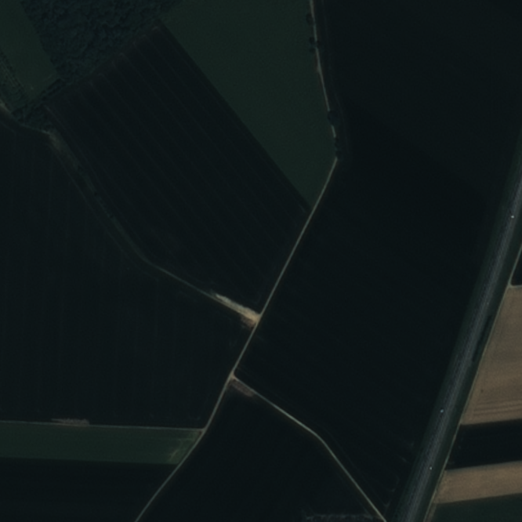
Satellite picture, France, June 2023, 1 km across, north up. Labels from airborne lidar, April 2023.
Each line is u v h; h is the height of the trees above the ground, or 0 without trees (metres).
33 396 0
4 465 0
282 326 0
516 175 0
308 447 0
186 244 0
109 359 0
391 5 0
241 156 0
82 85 0
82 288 0
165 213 0
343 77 0
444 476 0
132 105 0
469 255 0
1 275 0
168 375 0
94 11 27
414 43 0
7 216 0
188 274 0
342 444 0
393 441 0
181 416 0
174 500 0
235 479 0
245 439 0
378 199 0
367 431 0
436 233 0
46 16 25
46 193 0
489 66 0
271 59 0
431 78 0
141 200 0
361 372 0
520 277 0
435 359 0
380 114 0
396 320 0
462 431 0
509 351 0
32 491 0
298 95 0
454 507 0
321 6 0
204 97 0
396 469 0
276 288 0
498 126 0
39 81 0
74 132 0
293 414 0
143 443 0
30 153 0
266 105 0
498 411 0
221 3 0
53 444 0
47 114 0
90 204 0
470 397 0
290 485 0
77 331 0
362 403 0
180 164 0
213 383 0
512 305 0
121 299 0
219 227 0
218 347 0
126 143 0
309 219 0
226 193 0
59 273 0
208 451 0
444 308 0
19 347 0
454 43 0
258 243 0
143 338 0
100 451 0
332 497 0
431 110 0
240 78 0
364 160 0
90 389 0
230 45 0
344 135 0
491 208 0
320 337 0
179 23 0
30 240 0
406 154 0
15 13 0
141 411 0
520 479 0
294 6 0
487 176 0
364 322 0
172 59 0
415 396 0
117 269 0
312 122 0
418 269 0
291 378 0
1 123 0
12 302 0
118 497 0
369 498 0
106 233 0
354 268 0
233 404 0
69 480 0
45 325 0
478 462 0
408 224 0
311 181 0
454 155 0
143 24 22
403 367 0
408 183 0
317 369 0
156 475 0
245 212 0
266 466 0
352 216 0
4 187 0
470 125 0
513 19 0
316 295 0
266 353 0
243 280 0
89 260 0
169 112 0
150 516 0
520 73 0
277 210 0
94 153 0
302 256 0
